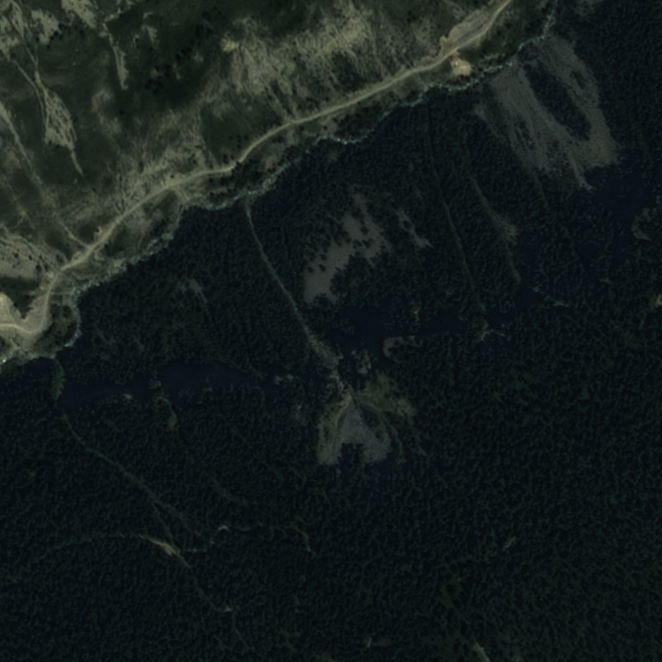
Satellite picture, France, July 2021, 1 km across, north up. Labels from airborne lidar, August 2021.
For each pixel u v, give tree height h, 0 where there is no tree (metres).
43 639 20
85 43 0
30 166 0
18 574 18
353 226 0
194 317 8
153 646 22
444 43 0
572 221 18
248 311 12
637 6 14
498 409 22
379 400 0
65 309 10
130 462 21
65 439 11
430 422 22
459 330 23
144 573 14
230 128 0
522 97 0
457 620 27
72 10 0
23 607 17
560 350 27
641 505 19
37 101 0
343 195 20
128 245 0
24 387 20
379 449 0
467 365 26
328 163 18
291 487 19
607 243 14
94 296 20
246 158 0
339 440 0
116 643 23
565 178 6
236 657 11
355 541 20
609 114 8
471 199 12
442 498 28
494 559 11
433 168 9
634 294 25
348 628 8
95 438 19
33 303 0
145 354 7
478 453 20
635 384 23
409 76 0
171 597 24
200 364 12
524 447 12
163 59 0
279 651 23
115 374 17
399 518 8
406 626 17
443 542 15
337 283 8
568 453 10
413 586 14
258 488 26
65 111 0
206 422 20
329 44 0
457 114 7
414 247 17
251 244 12
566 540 19
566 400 19
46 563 21
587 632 0
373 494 12
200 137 0
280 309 14
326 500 8
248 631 18
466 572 17
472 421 20
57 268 0
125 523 22
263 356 21
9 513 24
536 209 18
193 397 6
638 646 23
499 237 10
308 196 25
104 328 19
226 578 25
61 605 21
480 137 24
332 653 6
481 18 0
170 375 0
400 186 20
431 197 13
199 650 17
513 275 14
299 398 16
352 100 0
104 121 0
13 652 25
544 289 7
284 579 12
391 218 9
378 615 10
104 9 0
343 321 21
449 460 29
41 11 0
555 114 7
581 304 11
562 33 8
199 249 24
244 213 6
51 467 12
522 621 19
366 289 19
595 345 25
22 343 0
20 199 0
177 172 0
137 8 0
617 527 23
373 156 10
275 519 11
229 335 21
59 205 0
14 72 0
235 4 0
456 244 10
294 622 21
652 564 21
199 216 8
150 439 22
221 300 6
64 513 27
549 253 27
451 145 19
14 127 0
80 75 0
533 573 17
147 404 11
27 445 20
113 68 0
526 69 9
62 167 0
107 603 24
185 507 24
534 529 11
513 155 7
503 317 16
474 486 22
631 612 16
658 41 18
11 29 0
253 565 18
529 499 28
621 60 22
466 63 0
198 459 15
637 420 22
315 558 7
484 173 10
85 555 20
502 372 26
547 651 13
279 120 9
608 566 17
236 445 24
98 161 0
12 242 0
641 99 17
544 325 13
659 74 16
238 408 24
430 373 26
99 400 36
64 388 0
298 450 14
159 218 0
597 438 16
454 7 0
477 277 16
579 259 8
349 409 0
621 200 12
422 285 11
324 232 16
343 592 13
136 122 0
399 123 25
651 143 12
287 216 19
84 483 21
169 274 6
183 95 0
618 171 8
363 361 6
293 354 16
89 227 0
